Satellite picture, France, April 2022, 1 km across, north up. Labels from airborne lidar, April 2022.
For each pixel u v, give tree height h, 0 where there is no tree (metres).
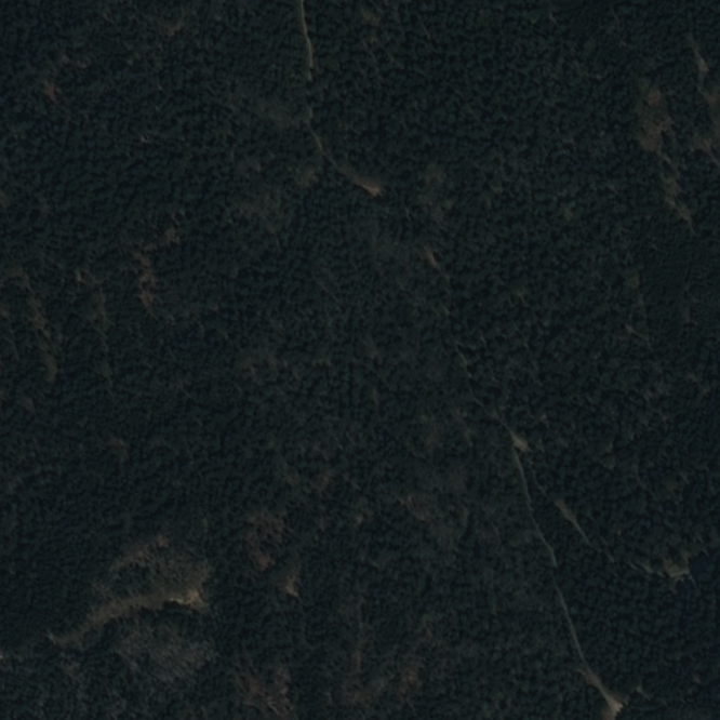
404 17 12
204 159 13
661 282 17
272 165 22
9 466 30
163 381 21
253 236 31
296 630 16
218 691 14
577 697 22
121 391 20
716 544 26
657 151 0
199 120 33
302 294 30
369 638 14
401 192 21
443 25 29
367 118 24
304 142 32
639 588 31
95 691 18
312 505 8
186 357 25
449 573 25
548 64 29
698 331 14
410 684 9
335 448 22
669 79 35
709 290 8
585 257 23
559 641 26
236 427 22
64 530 18
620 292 10
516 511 27
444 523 26
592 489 41
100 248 25
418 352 34
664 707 8
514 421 25
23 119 10
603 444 27
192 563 20
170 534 18
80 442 8
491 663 16
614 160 25
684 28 30
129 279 7
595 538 31
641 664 20
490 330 23
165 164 26
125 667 22
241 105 24
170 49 10
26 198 10
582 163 28
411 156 28
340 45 33
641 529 28
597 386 7
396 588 9
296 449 26
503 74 11
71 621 19
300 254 27
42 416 18
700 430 16
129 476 18
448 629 17
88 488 21
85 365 12
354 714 11
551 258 34
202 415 25
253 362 20
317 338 26
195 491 29
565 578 27
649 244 12
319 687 8
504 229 30
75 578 18
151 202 25
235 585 20
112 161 19
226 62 31
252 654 21
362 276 24
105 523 17
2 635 22
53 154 24
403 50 12
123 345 12
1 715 21
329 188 22
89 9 11
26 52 13
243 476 23
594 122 23
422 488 35
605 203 34
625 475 25
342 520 15
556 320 13
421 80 31
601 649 22
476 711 29
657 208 23
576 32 14
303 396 21
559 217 25
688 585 0
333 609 12
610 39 15
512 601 28
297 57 27
